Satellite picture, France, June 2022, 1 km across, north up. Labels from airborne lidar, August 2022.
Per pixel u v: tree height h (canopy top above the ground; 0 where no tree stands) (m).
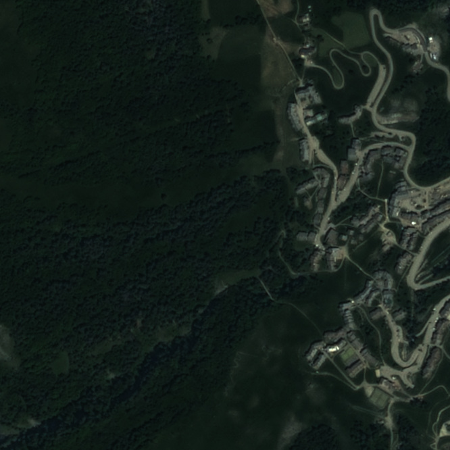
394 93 20
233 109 11
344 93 0
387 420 0
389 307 0
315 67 0
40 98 11
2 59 0
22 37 10
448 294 0
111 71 19
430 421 0
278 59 0
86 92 17
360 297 0
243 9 0
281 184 8
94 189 0
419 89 0
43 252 10
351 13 0
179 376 15
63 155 14
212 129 21
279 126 0
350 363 0
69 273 12
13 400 11
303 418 0
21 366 11
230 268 25
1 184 0
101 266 8
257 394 0
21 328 20
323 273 0
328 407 0
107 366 18
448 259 0
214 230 19
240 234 8
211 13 0
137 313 22
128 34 16
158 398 13
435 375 0
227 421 0
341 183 0
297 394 0
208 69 16
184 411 7
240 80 0
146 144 10
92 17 6
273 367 0
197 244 7
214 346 7
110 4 15
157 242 8
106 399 8
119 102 12
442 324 0
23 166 10
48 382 12
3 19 0
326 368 0
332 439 12
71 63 12
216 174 0
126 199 0
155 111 19
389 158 0
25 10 11
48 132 0
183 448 0
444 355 0
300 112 0
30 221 15
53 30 12
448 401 0
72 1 17
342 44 0
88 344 12
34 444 13
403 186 0
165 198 25
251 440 0
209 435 0
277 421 0
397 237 0
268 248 12
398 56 0
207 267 25
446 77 0
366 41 0
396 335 0
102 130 11
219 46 0
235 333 17
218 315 14
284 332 0
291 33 0
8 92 0
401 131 0
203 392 7
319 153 0
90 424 12
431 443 0
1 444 16
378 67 0
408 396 0
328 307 0
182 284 23
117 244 8
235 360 0
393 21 0
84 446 7
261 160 0
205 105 8
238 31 0
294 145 0
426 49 0
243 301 22
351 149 0
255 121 0
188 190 0
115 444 12
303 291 11
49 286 26
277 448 0
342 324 0
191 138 8
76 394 9
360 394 0
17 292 15
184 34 19
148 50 22
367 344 7
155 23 19
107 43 11
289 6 0
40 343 17
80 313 17
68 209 12
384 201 0
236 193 27
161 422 14
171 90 13
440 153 26
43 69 10
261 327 0
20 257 15
